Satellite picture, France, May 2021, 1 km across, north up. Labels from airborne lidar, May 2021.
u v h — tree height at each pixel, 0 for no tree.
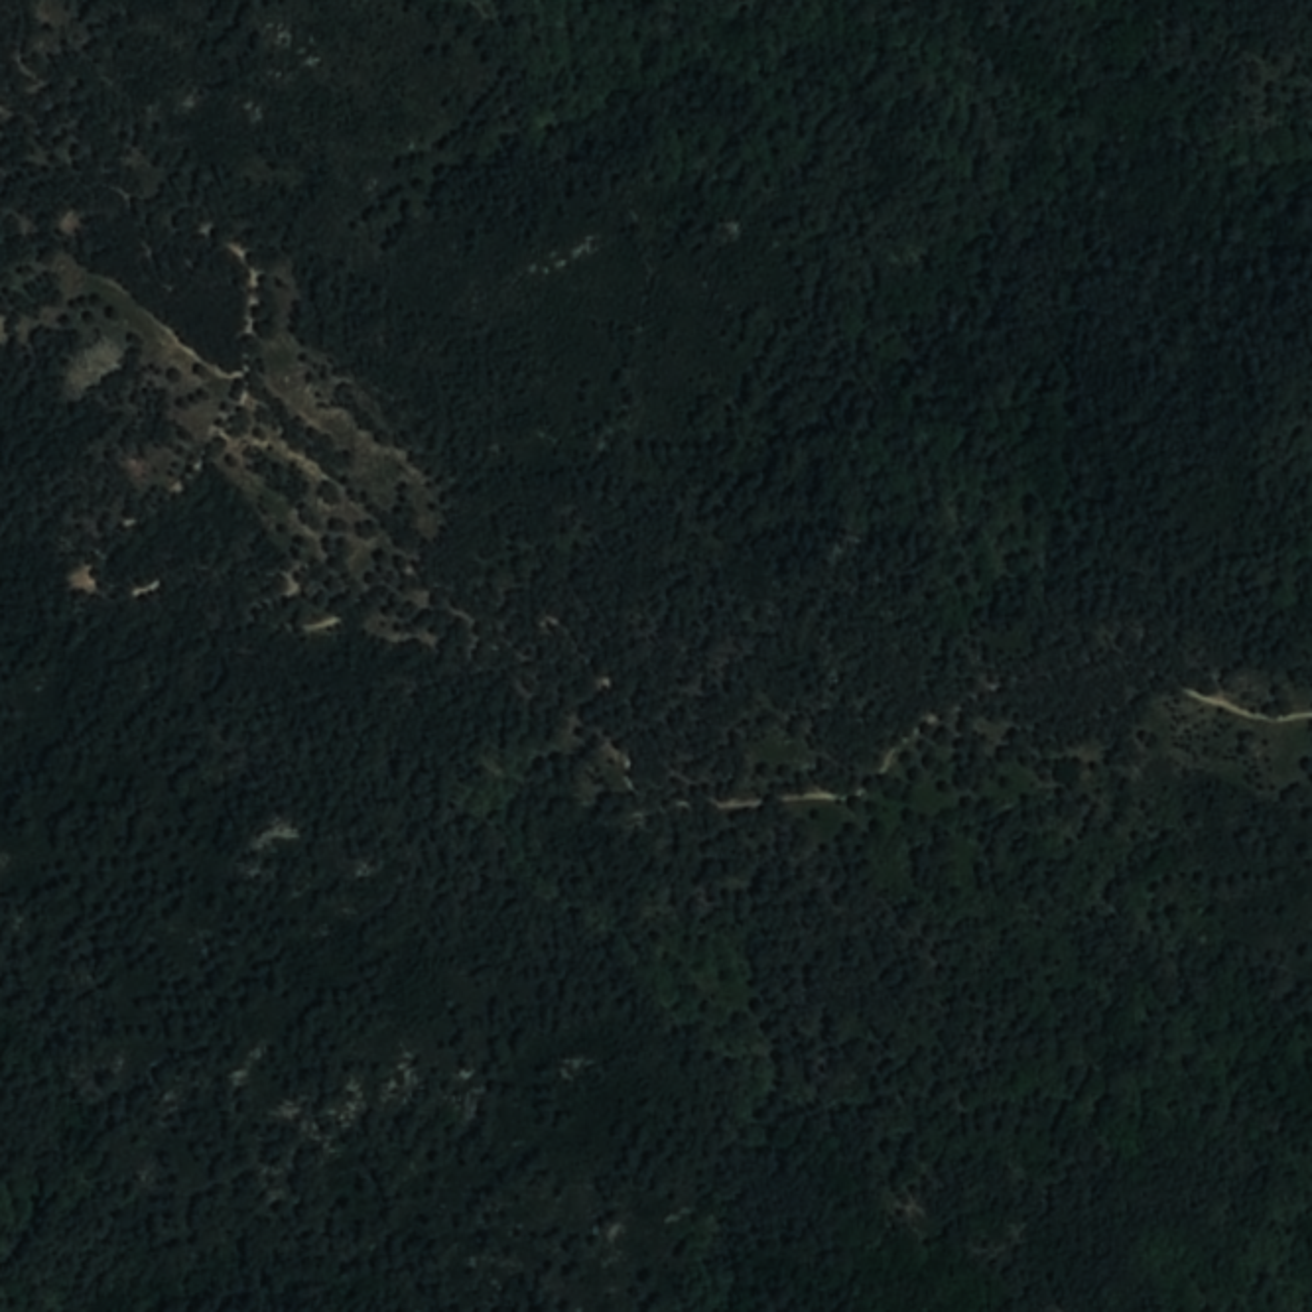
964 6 7
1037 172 24
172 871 5
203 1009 22
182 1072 22
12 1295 16
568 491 18
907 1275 18
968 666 15
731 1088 22
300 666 18
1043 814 14
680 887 21
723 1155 13
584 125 23
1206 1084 14
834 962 22
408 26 6
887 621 16
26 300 15
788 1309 22
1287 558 19
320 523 18
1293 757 0
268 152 17
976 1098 14
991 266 21
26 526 15
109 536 17
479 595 17
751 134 20
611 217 7
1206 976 20
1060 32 24
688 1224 14
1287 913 19
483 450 10
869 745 18
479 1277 18
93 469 17
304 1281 16
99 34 18
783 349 26
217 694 14
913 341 13
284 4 13
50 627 12
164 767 15
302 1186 27
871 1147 15
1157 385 17
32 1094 23
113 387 14
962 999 17
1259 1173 11
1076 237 21
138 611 15
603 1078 11
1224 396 16
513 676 15
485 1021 20
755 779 8
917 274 27
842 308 24
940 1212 14
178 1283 25
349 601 20
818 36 17
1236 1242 16
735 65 14
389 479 0
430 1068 19
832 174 25
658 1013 21
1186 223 13
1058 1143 17
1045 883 9
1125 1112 23
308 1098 14
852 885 15
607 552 19
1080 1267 14
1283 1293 20
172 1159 21
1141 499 7
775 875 21
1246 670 14
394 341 14
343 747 21
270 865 15
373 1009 18
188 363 0
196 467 15
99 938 20
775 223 7
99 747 19
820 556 12
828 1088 19
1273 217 17
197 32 6
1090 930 15
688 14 17
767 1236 24
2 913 18
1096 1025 14
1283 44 19
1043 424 18
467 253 7
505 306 7
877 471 12
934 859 19
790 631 16
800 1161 18
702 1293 17
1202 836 6
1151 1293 19
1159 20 10
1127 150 11
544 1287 23
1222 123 13
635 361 15
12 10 14
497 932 10
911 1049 6
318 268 11
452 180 20
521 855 21
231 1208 23
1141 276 15
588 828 7
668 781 14
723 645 16
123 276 14
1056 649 14
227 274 11
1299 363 23
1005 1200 6
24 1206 24
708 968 18
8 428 16
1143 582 17
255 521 11
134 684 15
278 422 7
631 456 21
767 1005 17
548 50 12
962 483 15
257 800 17
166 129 16
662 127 9
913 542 19
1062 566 21
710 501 19
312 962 9
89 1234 33
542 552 11
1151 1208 16
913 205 21
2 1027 10
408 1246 20
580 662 22
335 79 7
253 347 19
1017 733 18
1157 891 26
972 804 15
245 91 13
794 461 20
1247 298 19
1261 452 19
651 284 8
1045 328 18
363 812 14
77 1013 24
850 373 21
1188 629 15
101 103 13
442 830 18
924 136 14
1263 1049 21
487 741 20
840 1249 13
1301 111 18
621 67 21
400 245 17
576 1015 11
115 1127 23
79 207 19
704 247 14
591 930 24
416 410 13
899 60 21
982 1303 13
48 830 8
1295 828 7
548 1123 15
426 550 19
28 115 16
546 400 9
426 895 17
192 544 13
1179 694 15
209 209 17
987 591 11
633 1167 18
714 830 20
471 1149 23
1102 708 14
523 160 23
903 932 17
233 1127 21
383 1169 21
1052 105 17
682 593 20
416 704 15
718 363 7
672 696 15
